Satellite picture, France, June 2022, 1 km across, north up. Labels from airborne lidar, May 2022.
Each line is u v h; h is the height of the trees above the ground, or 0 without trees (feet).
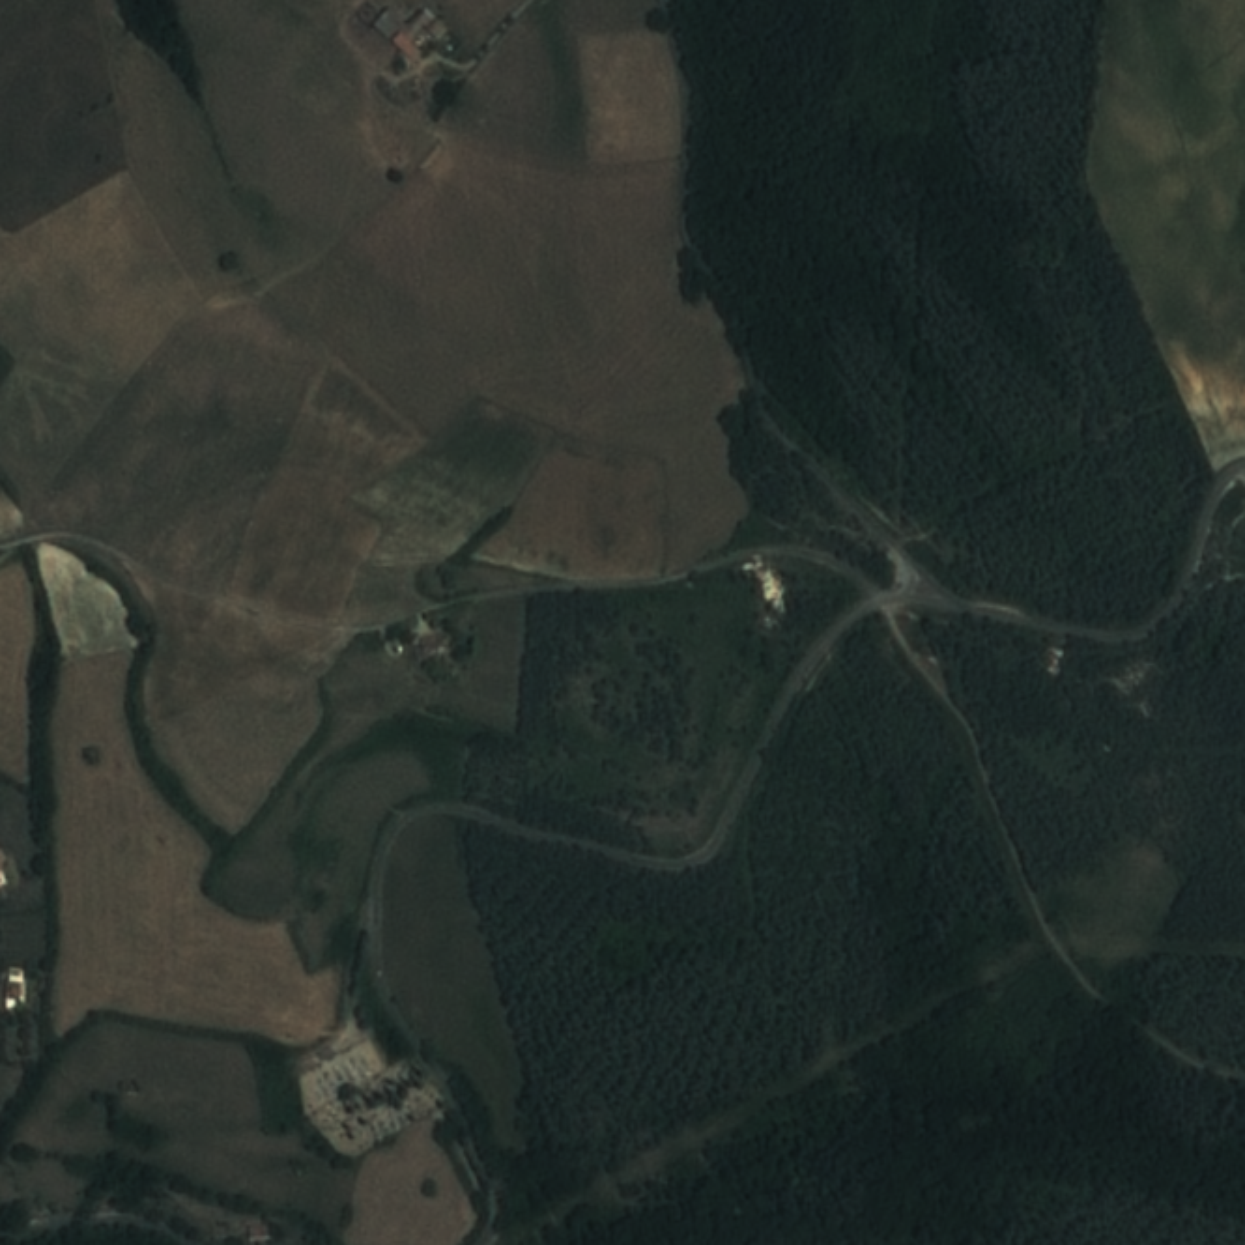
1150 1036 22
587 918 63
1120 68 0
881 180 54
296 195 0
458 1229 0
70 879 0
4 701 0
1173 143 0
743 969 68
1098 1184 46
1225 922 64
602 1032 63
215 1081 0
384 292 0
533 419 0
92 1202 21
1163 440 36
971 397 51
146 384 0
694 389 0
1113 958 0
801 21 52
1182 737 25
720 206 55
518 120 0
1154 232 0
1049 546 42
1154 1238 75
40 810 44
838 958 69
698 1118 40
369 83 0
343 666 0
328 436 0
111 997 0
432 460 0
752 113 44
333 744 0
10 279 0
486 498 0
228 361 0
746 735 34
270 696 0
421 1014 0
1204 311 0
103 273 0
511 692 0
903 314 63
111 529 0
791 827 44
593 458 0
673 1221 75
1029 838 55
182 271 0
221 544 0
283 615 0
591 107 0
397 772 0
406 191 0
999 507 60
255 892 0
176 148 0
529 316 0
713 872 45
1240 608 24
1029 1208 20
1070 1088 83
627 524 0
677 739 22
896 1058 62
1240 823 30
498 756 24
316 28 0
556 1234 45
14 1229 58
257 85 0
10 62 0
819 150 47
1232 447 0
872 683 31
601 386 0
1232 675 48
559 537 0
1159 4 0
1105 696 30
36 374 0
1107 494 33
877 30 23
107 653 0
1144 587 49
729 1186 81
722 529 0
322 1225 31
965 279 58
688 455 0
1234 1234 60
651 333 0
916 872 27
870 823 69
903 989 85
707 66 49
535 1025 74
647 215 0
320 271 0
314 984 0
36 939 0
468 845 44
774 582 0
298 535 0
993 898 64
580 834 54
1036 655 25
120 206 0
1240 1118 62
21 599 0
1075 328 43
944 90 26
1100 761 32
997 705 43
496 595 0
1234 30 0
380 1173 0
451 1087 27
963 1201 33
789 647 34
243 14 0
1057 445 20
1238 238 0
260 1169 0
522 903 56
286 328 0
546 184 0
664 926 50
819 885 54
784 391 44
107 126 0
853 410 70
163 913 0
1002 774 36
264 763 0
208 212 0
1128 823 29
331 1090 0
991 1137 56
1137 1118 65
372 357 0
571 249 0
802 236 46
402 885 0
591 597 39
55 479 0
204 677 0
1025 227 45
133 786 0
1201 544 0
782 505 47
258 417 0
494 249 0
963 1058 22
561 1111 84
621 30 0
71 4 0
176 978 0
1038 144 71
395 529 0
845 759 52
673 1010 56
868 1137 83
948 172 34
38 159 0
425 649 0
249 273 0
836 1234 68
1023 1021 20
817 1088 41
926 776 51
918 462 57
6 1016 28
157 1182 41
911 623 0
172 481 0
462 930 0
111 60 0
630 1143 56
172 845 0
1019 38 82
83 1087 0
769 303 44
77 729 0
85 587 0
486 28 0
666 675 34
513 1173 56
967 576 30
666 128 0
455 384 0
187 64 49
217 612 0
